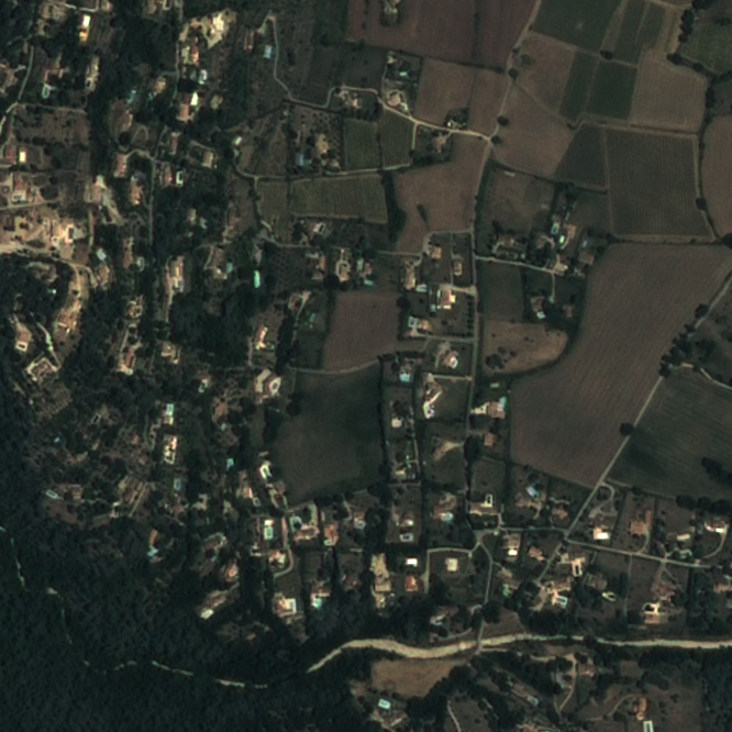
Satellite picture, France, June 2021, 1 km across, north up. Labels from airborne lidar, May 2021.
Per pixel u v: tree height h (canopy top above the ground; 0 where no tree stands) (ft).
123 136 52
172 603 43
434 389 0
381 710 31
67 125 27
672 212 0
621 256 0
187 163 61
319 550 24
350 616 63
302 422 0
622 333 0
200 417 30
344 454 0
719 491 0
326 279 40
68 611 26
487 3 0
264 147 20
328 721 43
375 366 0
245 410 27
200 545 34
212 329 65
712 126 0
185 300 46
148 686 55
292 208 0
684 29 47
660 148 0
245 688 20
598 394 0
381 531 42
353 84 0
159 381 40
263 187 0
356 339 0
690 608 48
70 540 36
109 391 21
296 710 49
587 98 0
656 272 0
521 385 0
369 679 53
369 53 0
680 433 0
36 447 19
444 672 0
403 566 33
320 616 73
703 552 31
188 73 21
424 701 43
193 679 57
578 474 0
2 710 23
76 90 29
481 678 52
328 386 0
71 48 49
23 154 0
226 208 22
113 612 61
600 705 28
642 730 0
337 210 0
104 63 74
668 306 0
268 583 39
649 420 0
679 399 0
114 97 40
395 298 0
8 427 29
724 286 0
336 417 0
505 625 0
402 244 0
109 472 28
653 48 0
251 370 19
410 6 0
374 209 0
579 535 23
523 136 0
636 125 0
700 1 44
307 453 0
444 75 0
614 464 0
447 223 0
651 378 0
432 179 0
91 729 61
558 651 0
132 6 35
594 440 0
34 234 0
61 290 41
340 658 19
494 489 0
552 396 0
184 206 18
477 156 0
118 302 33
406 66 42
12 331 29
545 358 0
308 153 21
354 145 0
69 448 31
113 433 41
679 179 0
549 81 0
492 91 0
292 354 68
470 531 29
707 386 0
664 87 0
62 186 0
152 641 54
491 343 0
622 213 0
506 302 0
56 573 25
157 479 38
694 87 0
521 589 37
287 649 61
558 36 0
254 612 40
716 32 0
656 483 0
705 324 0
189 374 33
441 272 0
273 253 50
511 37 0
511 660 26
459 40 0
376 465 0
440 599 56
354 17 0
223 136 66
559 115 0
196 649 45
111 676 53
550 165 0
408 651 0
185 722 61
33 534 66
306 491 0
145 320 34
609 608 0
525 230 0
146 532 69
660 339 0
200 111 36
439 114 0
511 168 0
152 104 33
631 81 0
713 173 0
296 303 28
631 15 0
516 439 0
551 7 0
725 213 0
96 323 63
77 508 23
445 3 0
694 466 0
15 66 37
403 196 0
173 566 44
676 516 0
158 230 34
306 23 0
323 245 35
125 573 73
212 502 34
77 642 18
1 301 58
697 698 0
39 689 52
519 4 0
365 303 0
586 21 0
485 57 0
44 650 59
